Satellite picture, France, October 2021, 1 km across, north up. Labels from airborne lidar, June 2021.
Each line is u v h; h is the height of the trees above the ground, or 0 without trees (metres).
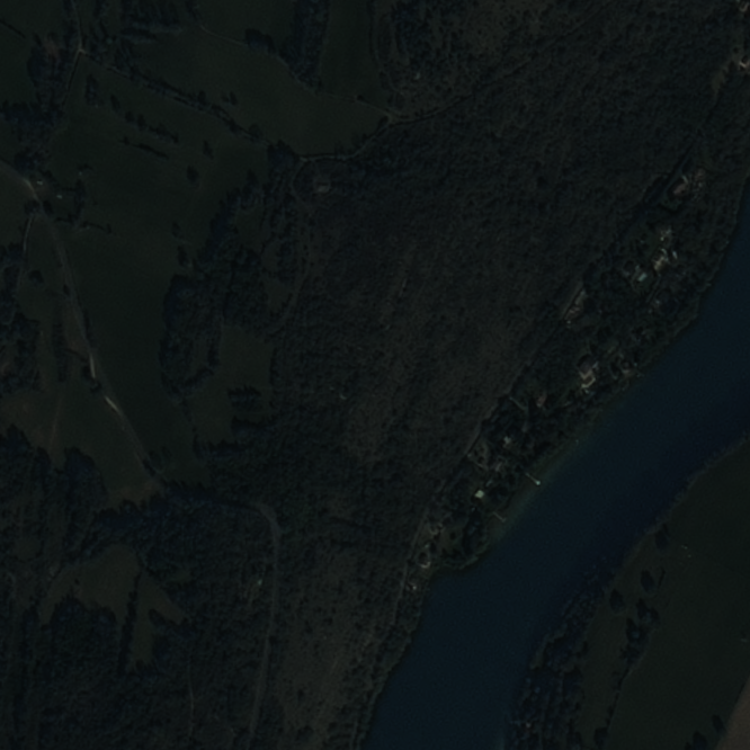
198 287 13
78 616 17
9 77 0
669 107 9
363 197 8
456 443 10
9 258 12
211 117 11
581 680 12
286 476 23
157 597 0
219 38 0
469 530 20
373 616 13
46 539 6
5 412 0
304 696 11
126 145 8
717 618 0
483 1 0
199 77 0
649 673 0
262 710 6
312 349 8
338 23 0
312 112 0
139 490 0
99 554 10
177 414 0
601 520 0
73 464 0
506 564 0
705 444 0
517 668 0
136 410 0
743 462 0
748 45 16
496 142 18
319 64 17
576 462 0
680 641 0
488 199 7
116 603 0
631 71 12
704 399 0
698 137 13
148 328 0
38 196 0
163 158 6
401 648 12
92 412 0
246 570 7
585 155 12
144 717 9
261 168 0
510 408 15
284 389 6
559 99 12
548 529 0
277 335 9
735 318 0
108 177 0
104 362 0
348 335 7
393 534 9
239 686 10
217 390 0
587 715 0
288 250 7
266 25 0
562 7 10
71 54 7
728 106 11
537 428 14
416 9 8
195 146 0
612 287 10
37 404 0
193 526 20
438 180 7
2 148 0
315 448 20
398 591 8
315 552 9
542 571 0
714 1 16
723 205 6
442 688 0
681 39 12
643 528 24
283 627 11
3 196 0
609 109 14
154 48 0
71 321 0
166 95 16
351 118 0
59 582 0
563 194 12
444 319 9
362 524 10
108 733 8
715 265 14
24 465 16
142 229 0
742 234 0
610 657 0
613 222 9
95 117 0
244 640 10
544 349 17
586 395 10
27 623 12
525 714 19
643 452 0
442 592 0
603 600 13
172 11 0
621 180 12
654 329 20
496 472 9
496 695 0
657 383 0
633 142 14
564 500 0
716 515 0
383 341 8
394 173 11
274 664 8
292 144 0
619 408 0
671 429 0
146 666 0
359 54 0
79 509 18
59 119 21
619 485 0
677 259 15
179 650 15
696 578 0
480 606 0
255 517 11
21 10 0
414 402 8
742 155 16
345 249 7
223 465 14
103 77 0
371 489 22
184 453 0
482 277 8
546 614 0
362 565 9
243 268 13
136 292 0
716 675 0
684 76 12
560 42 9
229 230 15
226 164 0
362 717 11
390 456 10
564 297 13
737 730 0
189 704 6
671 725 0
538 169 13
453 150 9
